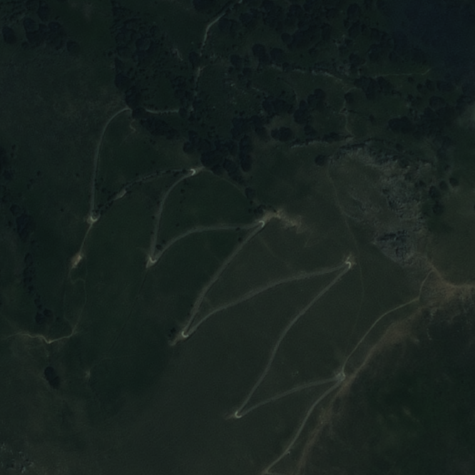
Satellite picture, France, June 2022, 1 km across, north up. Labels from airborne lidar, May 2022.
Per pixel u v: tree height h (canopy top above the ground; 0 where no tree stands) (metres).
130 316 0
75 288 0
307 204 0
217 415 0
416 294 0
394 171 0
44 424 0
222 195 0
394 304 0
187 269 0
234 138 10
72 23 0
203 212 0
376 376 0
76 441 0
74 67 0
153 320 0
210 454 0
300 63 0
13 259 0
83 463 0
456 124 0
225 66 0
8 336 0
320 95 16
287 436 0
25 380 0
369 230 0
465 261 0
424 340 0
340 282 0
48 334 0
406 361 0
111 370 0
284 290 0
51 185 0
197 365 0
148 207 0
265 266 0
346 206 0
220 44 0
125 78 28
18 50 0
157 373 0
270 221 0
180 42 0
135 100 22
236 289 0
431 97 0
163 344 0
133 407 0
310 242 0
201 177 0
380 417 0
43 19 20
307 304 0
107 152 0
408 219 0
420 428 0
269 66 0
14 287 0
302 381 0
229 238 0
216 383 0
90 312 0
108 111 0
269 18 18
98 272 0
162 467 0
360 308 0
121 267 0
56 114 0
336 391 0
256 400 0
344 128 0
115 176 0
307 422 0
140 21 9
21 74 0
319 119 0
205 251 0
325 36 21
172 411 0
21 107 0
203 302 0
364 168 0
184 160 0
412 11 22
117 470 0
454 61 21
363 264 0
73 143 0
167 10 0
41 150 0
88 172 0
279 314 0
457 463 0
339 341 0
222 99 0
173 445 0
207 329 0
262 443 0
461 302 0
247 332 0
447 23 21
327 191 0
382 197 0
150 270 0
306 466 0
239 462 0
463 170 0
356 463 0
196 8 10
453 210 0
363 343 0
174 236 0
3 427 0
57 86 0
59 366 0
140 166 0
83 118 0
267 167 0
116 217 0
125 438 0
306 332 0
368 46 0
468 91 22
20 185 0
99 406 0
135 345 0
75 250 0
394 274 0
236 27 23
